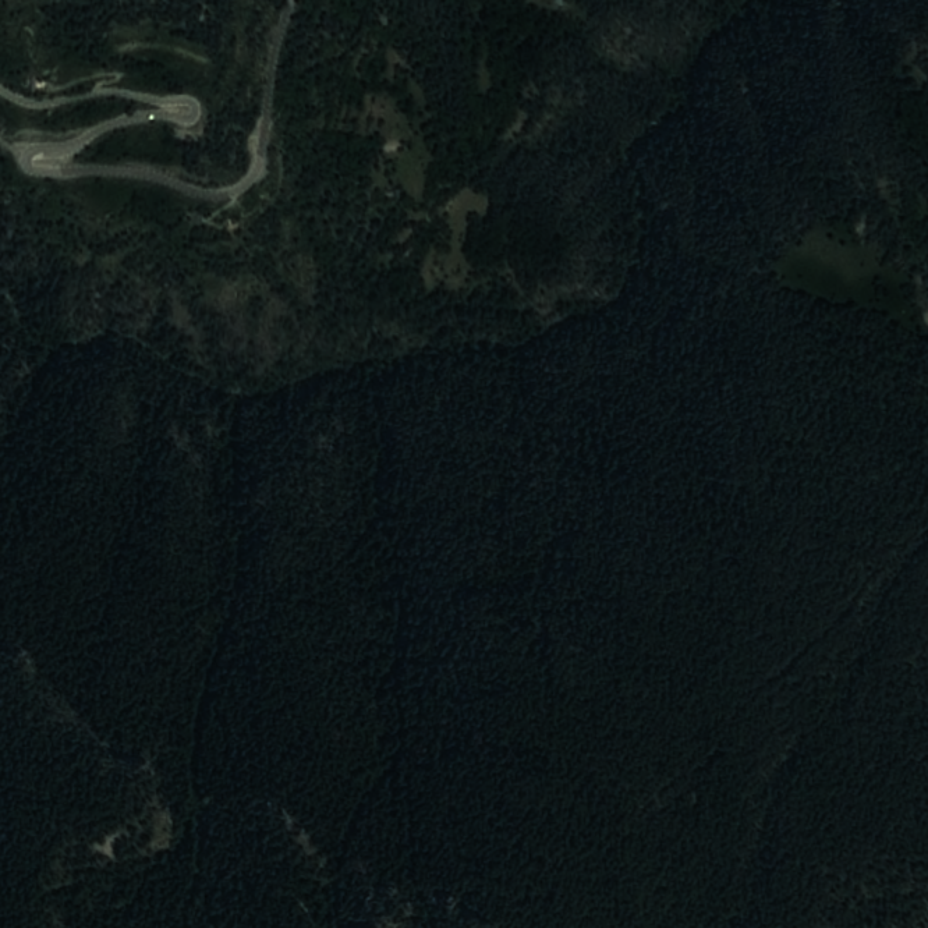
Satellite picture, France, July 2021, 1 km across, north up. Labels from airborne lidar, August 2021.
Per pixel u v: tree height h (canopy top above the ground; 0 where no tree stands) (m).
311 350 9
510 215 13
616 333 13
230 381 15
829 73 16
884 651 16
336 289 15
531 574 12
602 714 25
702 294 26
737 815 18
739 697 15
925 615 15
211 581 9
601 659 25
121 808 14
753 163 20
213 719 33
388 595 32
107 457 20
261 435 10
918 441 21
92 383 28
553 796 20
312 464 15
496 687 16
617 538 23
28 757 20
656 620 17
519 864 22
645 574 18
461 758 33
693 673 17
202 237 11
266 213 8
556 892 20
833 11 8
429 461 17
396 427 15
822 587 19
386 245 11
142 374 23
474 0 8
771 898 19
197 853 17
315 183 14
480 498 29
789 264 0
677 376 32
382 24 8
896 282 0
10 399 12
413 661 20
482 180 15
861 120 14
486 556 16
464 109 19
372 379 10
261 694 27
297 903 33
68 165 0
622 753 20
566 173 18
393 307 14
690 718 16
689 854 22
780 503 18
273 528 14
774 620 20
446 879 22
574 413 32
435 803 28
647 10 15
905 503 21
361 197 12
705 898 22
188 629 25
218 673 28
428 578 15
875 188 11
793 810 14
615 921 22
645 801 12
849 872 12
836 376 26
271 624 31
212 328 14
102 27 12
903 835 17
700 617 28
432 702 25
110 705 24
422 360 21
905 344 21
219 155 7
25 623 22
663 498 22
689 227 13
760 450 16
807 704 18
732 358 20
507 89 8
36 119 0
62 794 24
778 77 20
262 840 16
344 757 29
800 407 22
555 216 19
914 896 18
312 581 22
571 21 8
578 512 11
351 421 20
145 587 20
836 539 16
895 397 19
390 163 7
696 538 28
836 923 16
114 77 0
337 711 23
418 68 12
